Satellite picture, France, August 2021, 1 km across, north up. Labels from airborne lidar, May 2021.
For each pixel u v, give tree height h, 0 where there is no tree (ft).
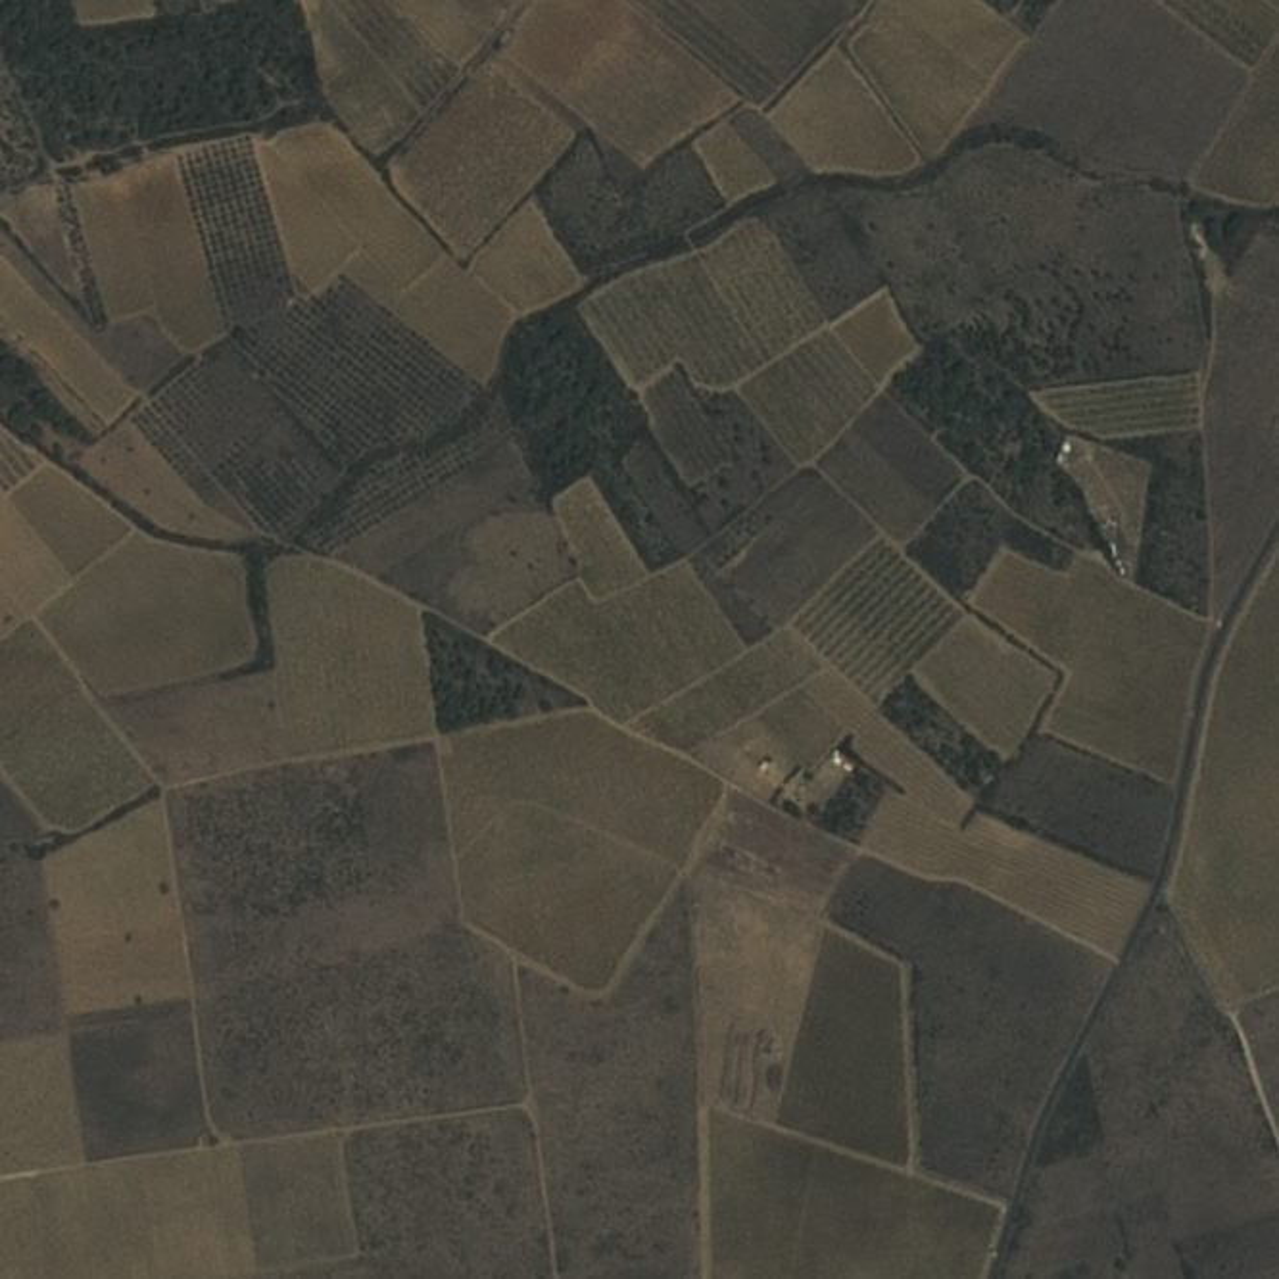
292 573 0
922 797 0
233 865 0
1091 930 0
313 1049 0
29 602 0
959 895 0
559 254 0
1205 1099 0
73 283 0
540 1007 0
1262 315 0
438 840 0
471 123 0
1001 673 0
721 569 0
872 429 0
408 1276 0
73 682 0
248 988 0
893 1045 0
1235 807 0
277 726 0
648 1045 0
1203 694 0
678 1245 0
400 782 0
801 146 0
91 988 0
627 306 0
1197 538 0
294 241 0
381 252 0
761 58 0
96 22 0
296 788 0
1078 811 0
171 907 0
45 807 0
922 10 0
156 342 0
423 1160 0
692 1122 0
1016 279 0
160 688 0
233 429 0
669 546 0
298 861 0
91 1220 0
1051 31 0
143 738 0
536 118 0
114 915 0
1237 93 0
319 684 0
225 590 0
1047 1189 0
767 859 0
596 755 0
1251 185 0
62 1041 0
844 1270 0
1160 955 0
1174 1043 0
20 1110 0
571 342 22
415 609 0
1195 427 0
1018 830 21
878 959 0
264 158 0
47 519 0
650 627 0
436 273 0
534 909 0
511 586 0
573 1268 0
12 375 26
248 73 27
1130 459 0
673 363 0
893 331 0
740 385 0
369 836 0
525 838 0
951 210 0
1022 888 0
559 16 0
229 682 0
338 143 0
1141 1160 0
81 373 0
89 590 0
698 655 0
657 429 0
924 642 0
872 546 0
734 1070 0
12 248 0
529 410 24
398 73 0
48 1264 0
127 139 24
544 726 0
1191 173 0
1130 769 0
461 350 0
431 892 0
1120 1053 0
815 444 0
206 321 0
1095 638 0
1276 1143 0
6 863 0
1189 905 0
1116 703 0
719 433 0
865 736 0
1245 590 0
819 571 0
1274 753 0
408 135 0
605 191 0
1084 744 0
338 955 0
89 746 0
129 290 0
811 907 0
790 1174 0
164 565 0
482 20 0
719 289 0
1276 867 0
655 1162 0
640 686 0
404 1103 0
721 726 0
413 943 0
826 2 0
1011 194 0
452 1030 0
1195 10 0
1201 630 0
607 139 0
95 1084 0
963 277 0
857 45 0
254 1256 0
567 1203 0
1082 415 0
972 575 0
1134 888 0
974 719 0
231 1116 0
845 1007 0
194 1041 0
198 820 0
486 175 0
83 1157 0
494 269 0
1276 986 0
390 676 0
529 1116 0
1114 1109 0
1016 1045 0
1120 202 0
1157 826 0
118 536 0
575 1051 0
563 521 0
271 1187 0
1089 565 0
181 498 0
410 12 0
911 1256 0
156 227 0
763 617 0
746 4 0
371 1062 0
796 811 24
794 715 0
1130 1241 0
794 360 0
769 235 0
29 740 0
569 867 0
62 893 0
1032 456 31
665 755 0
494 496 0
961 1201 0
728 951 0
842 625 0
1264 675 0
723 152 0
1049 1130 0
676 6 0
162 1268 0
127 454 0
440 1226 0
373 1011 0
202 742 0
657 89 0
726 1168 0
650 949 0
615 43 0
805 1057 0
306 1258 0
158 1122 0
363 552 0
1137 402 0
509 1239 0
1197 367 0
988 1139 0
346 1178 0
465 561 0
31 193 0
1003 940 0
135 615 0
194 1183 0
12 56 18
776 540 0
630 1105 0
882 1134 0
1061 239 0
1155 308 0
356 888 0
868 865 0
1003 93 0
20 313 0
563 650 0
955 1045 0
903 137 0
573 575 0
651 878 0
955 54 0
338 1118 0
